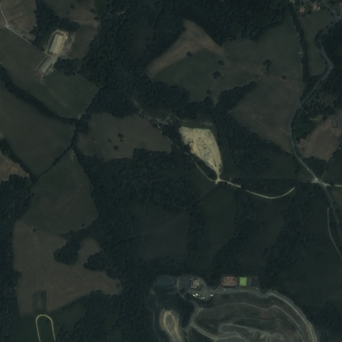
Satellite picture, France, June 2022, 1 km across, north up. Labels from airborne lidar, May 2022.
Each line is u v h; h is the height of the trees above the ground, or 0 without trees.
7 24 0
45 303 0
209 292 0
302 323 0
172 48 0
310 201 8
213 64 0
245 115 0
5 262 18
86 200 0
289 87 0
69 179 0
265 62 8
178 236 0
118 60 18
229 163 0
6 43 0
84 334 16
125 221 8
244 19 10
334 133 0
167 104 17
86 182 0
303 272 0
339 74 10
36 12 17
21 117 0
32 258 0
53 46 0
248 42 0
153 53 14
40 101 11
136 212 0
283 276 0
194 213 16
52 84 0
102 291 9
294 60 0
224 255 17
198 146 0
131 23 16
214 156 0
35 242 0
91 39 0
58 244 0
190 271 11
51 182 0
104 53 16
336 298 0
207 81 0
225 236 0
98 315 17
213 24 18
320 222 0
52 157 0
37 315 0
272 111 0
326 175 0
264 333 0
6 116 0
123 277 6
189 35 0
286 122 0
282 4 12
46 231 0
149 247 0
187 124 0
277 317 0
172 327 0
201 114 0
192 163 8
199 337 7
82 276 0
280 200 7
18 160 17
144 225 0
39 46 19
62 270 0
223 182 9
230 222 0
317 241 9
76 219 0
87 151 0
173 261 13
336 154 10
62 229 0
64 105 0
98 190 18
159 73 0
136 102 0
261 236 0
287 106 0
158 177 7
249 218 11
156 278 7
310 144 0
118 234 10
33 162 0
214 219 0
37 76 0
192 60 0
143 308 10
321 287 0
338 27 23
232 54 0
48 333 0
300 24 15
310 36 0
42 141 0
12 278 21
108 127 0
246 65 0
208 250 0
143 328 14
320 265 0
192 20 11
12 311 10
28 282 0
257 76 10
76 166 0
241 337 0
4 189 16
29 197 14
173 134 11
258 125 0
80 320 8
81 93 0
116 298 19
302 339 0
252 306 0
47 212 0
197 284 0
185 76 0
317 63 0
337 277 0
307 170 0
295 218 25
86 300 14
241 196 17
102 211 18
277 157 0
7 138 0
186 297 10
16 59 0
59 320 0
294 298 7
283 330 0
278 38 0
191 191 10
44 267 0
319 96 7
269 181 10
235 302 0
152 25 9
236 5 23
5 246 18
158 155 17
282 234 9
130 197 20
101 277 0
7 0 0
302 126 24
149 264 9
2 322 6
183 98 28
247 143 17
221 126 7
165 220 0
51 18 26
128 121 0
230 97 21
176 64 0
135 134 0
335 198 0
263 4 21
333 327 12
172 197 13
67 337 14
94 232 7
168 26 10
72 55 0
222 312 0
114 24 14
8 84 25
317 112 18
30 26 0
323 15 0
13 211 9
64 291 0
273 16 7
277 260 20
